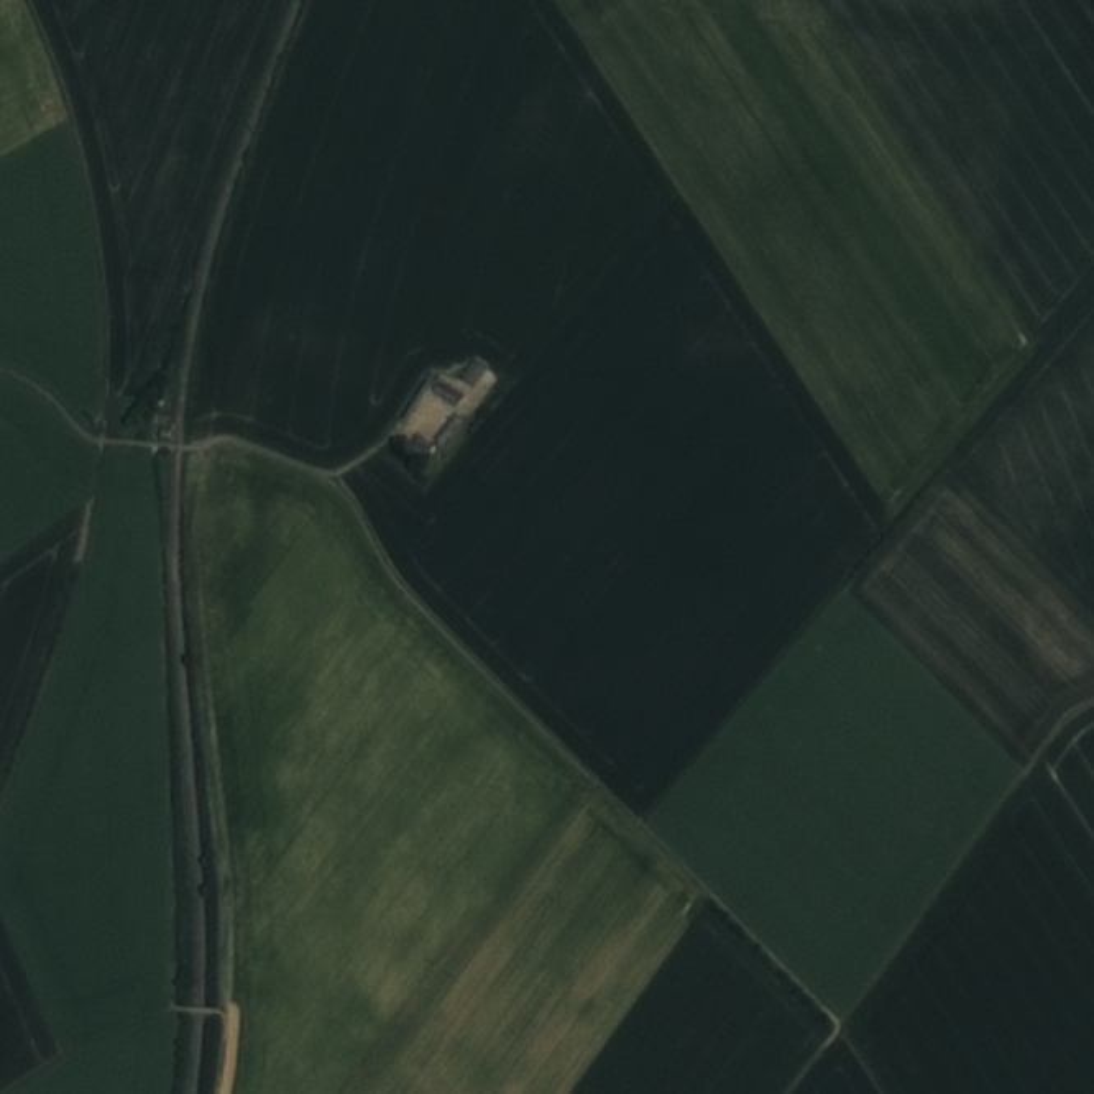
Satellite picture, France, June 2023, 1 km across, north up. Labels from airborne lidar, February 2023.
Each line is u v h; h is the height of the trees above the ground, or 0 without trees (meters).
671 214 0
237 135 0
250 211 0
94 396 0
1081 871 0
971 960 0
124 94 0
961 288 0
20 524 0
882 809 0
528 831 0
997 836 0
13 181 0
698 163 0
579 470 0
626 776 0
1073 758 0
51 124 0
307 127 0
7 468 0
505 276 0
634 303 0
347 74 0
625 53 0
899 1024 0
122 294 0
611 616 0
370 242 0
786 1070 0
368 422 0
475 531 0
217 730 0
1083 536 0
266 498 0
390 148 0
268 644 0
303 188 0
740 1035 0
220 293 0
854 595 0
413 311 0
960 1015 0
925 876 0
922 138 0
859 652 0
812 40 0
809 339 0
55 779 0
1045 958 0
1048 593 0
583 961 0
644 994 0
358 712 0
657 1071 0
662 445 0
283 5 0
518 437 0
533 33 0
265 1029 0
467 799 0
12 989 0
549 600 0
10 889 0
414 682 0
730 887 0
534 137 0
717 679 0
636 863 0
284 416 0
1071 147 0
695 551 0
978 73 0
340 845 0
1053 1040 0
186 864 7
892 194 0
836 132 0
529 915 0
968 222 0
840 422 0
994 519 0
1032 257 0
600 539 0
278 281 0
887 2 0
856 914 0
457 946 0
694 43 0
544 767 0
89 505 0
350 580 0
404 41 0
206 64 0
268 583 0
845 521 0
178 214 0
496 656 0
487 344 0
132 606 0
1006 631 0
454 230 0
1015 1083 0
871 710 0
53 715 0
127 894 0
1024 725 0
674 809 0
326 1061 0
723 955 0
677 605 0
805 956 0
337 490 0
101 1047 0
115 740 0
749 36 0
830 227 0
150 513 0
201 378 0
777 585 0
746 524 0
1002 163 0
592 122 0
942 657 0
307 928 0
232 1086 0
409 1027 0
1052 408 0
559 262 0
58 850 0
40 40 0
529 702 0
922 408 0
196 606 0
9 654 0
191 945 5
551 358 0
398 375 0
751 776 0
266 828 0
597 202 0
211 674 0
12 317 0
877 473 0
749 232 0
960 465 0
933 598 0
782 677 0
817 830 0
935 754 0
